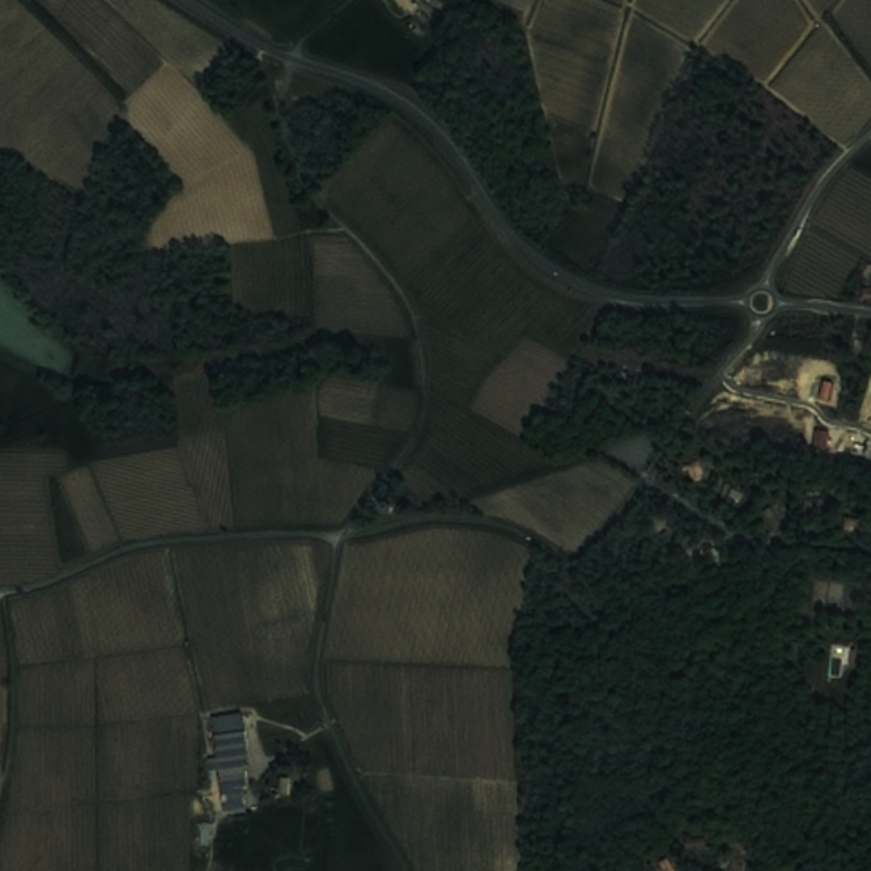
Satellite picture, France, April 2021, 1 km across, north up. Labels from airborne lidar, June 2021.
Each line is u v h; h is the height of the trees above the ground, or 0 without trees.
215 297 16
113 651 0
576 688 20
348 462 0
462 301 0
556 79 0
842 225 0
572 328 0
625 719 20
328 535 0
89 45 0
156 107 0
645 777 18
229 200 0
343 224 0
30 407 0
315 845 0
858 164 0
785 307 0
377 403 0
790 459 18
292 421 0
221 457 0
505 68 13
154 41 0
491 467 0
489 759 0
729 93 23
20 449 0
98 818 0
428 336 0
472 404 0
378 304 0
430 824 0
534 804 12
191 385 0
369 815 0
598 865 19
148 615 0
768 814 10
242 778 0
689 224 6
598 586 22
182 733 0
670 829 22
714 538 15
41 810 0
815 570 16
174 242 0
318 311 0
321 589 0
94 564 0
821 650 13
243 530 0
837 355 18
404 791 0
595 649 15
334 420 0
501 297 0
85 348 8
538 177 25
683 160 6
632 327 18
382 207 0
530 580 13
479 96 19
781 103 9
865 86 0
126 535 0
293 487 0
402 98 0
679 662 21
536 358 0
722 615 17
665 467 8
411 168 0
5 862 0
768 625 17
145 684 0
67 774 0
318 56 0
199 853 0
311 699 0
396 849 0
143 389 17
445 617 0
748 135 8
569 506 0
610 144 0
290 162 13
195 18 0
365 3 0
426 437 0
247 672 0
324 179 20
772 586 20
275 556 0
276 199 0
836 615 17
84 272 15
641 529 16
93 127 0
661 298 0
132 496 0
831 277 0
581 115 0
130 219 22
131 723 0
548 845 20
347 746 0
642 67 0
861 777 15
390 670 0
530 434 17
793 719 12
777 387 0
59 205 11
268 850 0
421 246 0
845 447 0
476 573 0
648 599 20
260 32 0
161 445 0
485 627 0
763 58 0
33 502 0
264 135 0
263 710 0
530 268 0
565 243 0
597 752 16
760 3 0
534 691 20
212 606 0
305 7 0
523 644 14
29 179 22
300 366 10
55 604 0
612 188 0
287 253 0
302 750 12
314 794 11
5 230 24
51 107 0
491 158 17
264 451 0
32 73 0
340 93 11
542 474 0
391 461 0
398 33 0
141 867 0
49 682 0
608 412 20
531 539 0
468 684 0
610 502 0
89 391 19
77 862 0
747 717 12
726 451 15
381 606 0
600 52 0
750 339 0
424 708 0
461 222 0
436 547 0
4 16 0
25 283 15
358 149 11
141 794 0
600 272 10
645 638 23
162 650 0
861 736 17
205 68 0
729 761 20
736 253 18
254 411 0
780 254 0
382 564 0
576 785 21
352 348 26
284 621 0
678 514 15
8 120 0
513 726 0
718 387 0
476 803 0
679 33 0
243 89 10
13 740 0
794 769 13
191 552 0
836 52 0
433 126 0
